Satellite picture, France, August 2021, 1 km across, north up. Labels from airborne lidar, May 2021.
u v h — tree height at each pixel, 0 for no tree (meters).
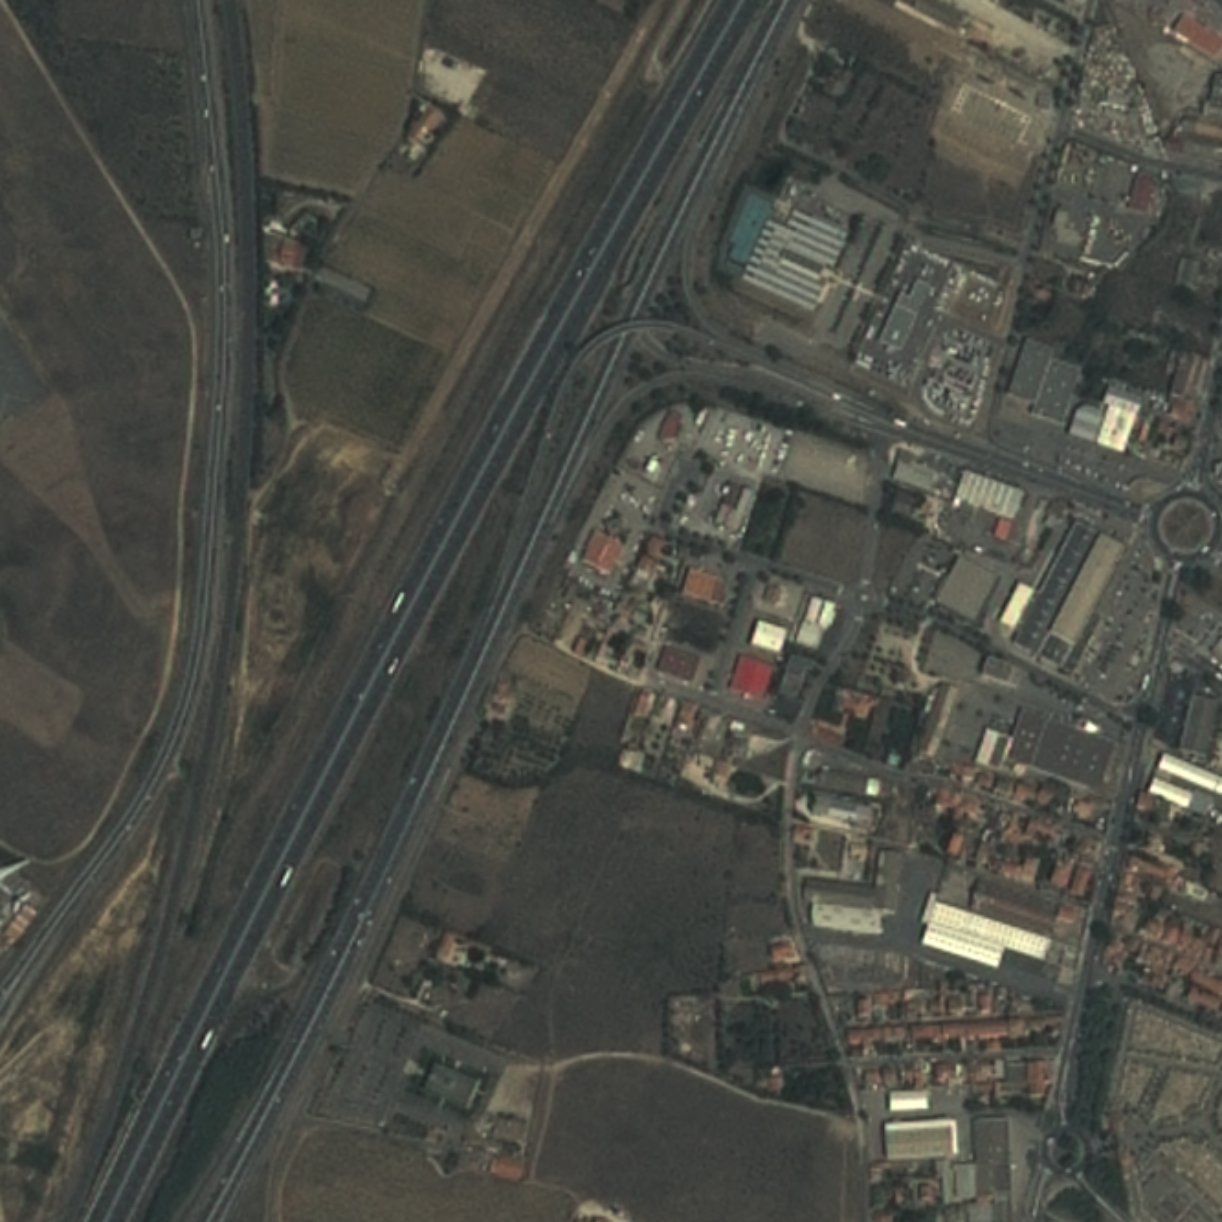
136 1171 0
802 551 0
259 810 0
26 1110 0
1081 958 0
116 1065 0
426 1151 0
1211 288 0
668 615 0
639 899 0
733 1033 9
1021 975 0
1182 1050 0
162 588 0
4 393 0
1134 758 0
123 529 0
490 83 0
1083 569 0
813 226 0
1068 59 6
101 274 0
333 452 0
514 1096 0
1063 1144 10
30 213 0
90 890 0
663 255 0
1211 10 0
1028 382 0
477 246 0
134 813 0
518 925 0
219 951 0
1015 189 0
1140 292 0
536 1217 0
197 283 0
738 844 0
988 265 0
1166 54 0
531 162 0
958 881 0
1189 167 0
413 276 0
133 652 0
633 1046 0
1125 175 0
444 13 0
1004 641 0
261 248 7
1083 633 0
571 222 0
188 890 0
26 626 0
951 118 0
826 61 9
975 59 0
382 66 0
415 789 0
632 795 0
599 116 0
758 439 0
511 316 0
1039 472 0
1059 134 0
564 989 0
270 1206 0
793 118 6
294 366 0
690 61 0
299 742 0
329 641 0
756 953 0
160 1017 0
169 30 0
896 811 0
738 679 0
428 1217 0
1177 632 0
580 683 0
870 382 0
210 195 0
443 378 0
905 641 0
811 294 0
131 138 0
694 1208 0
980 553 0
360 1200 0
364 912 0
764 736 0
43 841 0
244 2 0
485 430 0
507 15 0
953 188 0
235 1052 9
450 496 0
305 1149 0
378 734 0
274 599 0
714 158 0
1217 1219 0
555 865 0
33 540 0
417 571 0
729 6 0
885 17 0
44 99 0
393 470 0
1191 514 0
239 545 0
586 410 0
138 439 0
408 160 0
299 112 0
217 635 0
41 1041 0
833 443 0
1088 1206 8
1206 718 0
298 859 0
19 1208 0
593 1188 0
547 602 0
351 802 0
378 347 0
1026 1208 0
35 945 0
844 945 0
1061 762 0
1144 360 6
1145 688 0
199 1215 0
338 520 0
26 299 0
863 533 0
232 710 0
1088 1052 7
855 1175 0
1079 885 0
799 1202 0
